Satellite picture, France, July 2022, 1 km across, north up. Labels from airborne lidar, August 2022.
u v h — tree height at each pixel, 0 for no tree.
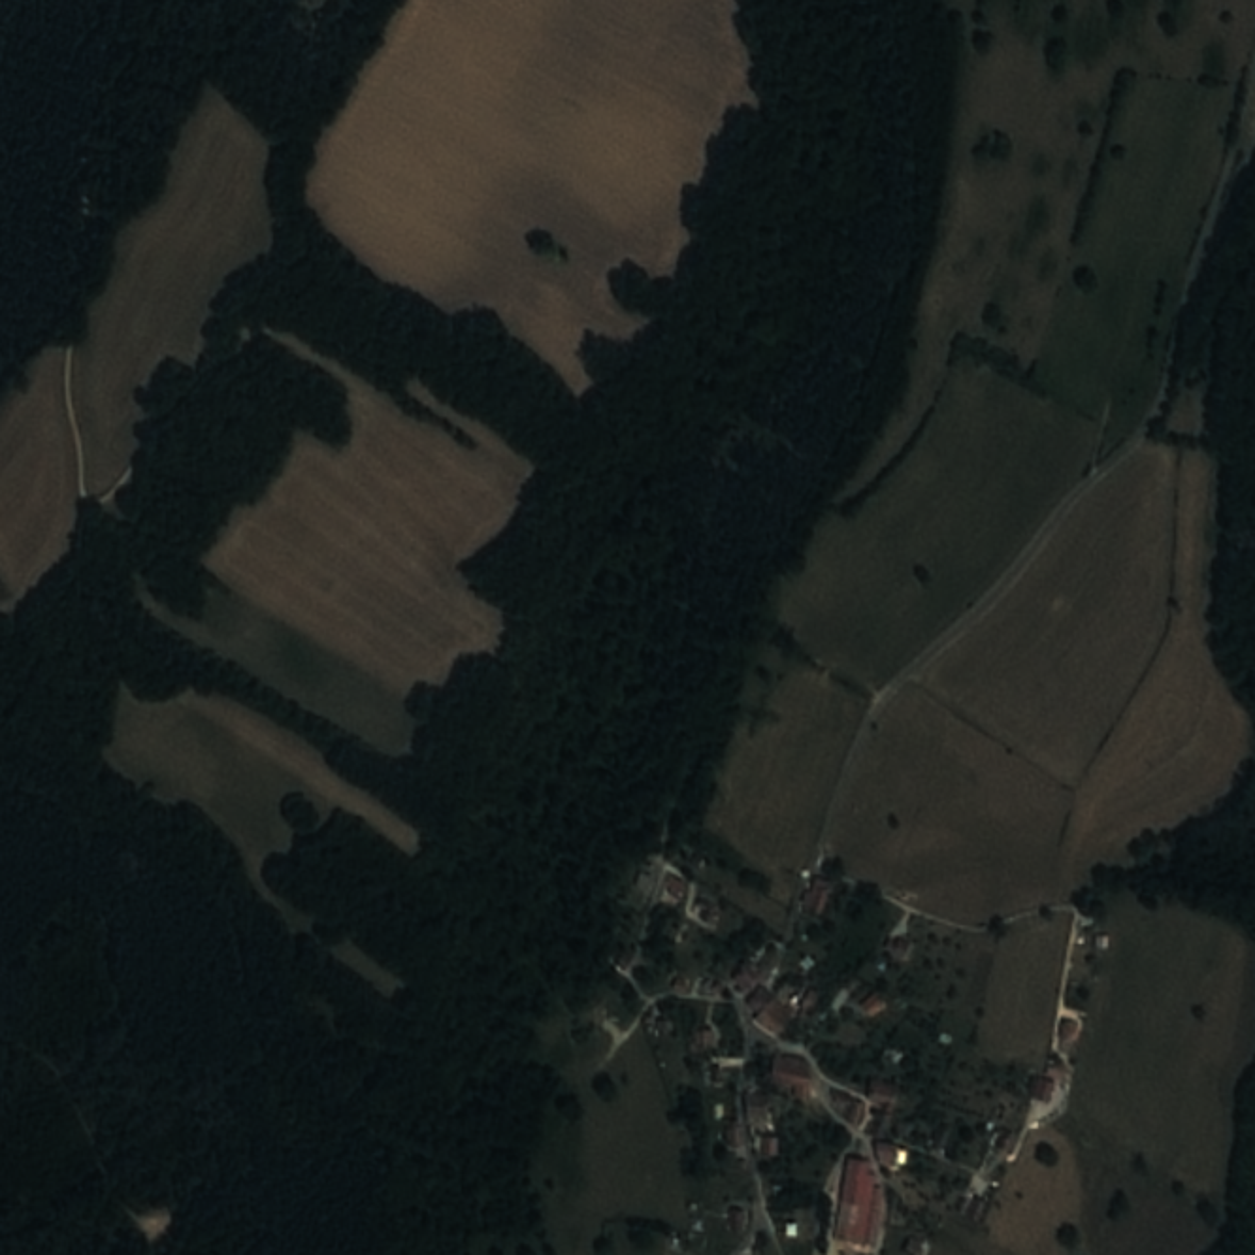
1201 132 0
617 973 12
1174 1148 0
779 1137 7
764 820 0
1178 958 0
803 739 0
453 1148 26
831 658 0
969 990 0
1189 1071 0
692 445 23
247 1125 16
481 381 18
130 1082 23
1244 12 0
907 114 11
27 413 0
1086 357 0
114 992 5
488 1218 10
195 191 0
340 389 12
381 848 9
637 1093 0
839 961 0
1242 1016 0
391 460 0
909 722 0
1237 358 23
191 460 18
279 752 0
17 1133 10
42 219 17
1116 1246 0
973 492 0
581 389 0
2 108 18
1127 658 0
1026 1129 0
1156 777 0
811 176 27
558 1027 0
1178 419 0
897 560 0
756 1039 0
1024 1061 0
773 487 22
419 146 0
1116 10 15
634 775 16
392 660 0
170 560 20
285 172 17
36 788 12
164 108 25
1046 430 0
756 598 14
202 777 0
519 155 0
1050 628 0
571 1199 0
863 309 23
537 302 0
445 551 0
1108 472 0
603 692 25
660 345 20
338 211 0
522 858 27
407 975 17
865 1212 0
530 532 19
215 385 20
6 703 7
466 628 0
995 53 0
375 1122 28
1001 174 0
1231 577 26
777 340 25
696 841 13
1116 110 6
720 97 0
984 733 0
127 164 21
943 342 0
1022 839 0
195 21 19
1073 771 0
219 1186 22
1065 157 0
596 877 25
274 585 0
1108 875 13
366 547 0
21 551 0
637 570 13
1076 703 0
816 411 18
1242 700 16
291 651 0
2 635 13
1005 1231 0
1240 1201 23
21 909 19
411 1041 15
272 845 0
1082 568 0
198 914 16
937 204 13
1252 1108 15
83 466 0
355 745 14
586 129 0
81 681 15
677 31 0
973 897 0
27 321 17
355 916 13
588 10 0
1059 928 0
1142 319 0
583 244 0
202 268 0
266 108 17
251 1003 19
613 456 16
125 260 0
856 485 0
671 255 0
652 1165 0
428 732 17
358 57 19
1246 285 27
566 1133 0
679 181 0
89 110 15
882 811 0
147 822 15
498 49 0
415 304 22
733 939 8
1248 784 22
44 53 15
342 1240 23
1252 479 23
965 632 0
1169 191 0
